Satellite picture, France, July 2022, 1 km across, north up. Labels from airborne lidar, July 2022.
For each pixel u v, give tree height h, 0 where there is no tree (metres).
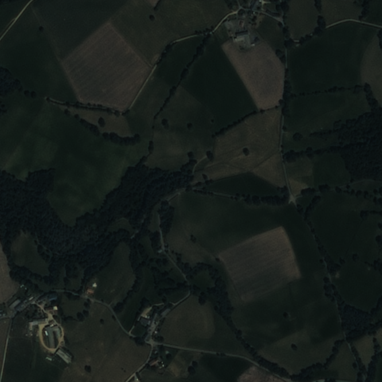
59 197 0
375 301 0
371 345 0
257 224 0
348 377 0
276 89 0
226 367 0
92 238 7
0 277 0
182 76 13
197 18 0
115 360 0
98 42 0
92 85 0
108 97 0
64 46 0
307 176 0
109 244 19
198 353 0
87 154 0
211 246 0
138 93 0
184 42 0
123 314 0
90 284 0
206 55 0
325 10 0
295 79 0
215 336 0
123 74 0
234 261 0
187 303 0
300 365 0
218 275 11
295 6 0
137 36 0
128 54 0
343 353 0
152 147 10
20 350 0
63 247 13
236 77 0
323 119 0
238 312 0
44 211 22
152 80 0
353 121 9
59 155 0
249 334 0
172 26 0
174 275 0
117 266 0
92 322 0
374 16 0
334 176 0
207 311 0
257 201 21
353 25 0
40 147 0
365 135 11
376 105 20
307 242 0
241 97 0
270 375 0
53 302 14
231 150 0
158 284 15
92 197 0
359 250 0
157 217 0
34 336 0
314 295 0
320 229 0
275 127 0
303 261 0
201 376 0
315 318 0
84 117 0
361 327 15
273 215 0
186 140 0
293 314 0
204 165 0
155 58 0
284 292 0
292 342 0
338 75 0
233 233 0
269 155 0
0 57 0
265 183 0
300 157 10
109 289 0
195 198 0
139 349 0
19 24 0
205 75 0
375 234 0
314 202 13
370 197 6
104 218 20
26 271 22
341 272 0
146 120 0
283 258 0
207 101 0
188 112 0
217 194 0
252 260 0
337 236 0
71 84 0
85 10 0
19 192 15
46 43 0
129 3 0
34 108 0
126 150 0
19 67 0
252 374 0
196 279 0
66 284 15
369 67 0
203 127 0
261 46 0
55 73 0
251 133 0
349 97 0
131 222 15
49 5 0
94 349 0
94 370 0
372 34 0
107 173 0
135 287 15
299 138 8
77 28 0
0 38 0
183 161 0
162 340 11
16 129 0
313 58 0
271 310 0
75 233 14
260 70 0
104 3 0
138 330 0
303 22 0
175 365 0
